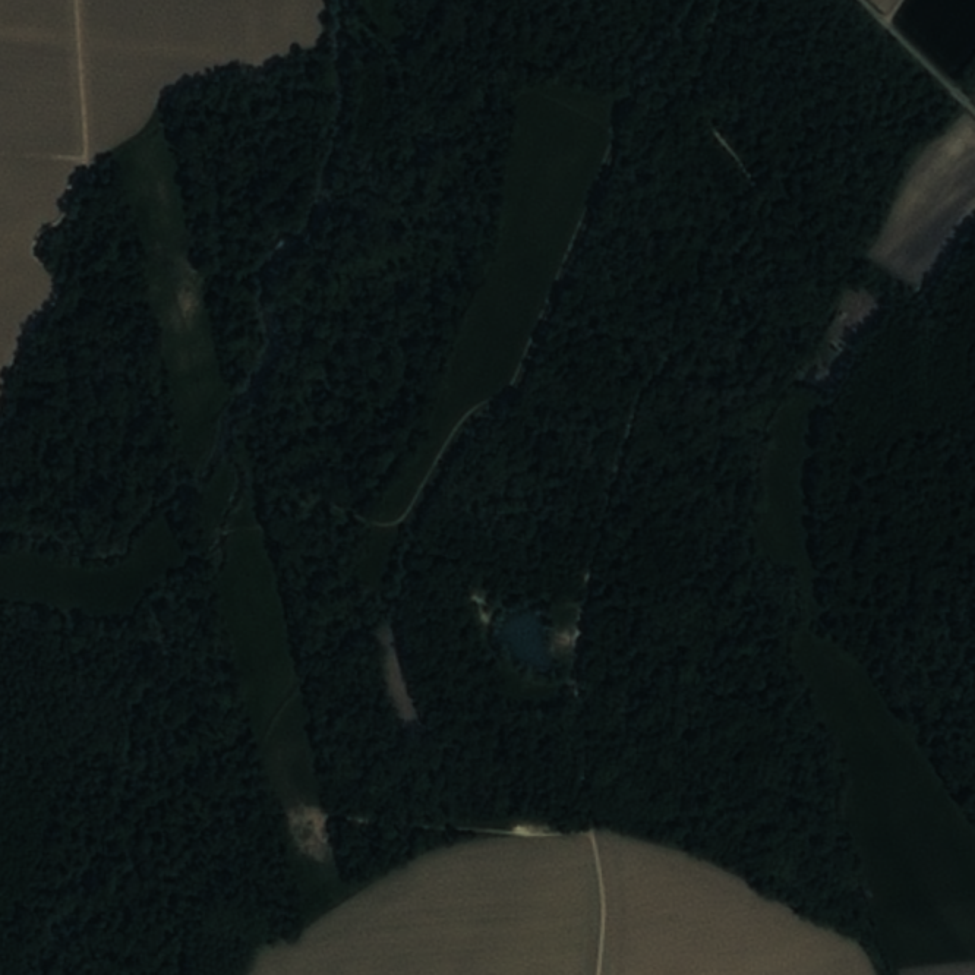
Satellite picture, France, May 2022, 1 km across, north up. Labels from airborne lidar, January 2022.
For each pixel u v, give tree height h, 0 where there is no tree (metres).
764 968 0
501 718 22
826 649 0
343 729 17
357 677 20
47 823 14
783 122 23
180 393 0
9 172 0
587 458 14
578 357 22
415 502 0
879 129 17
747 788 17
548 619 8
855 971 0
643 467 17
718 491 21
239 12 0
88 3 0
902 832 0
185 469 9
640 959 0
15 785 17
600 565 14
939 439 20
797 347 25
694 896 0
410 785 24
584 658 16
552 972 0
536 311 0
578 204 0
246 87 20
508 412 23
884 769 0
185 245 0
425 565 16
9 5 0
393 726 17
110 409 32
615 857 0
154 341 26
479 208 27
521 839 0
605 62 19
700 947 0
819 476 26
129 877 26
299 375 22
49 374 25
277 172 23
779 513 0
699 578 17
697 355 18
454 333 25
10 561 0
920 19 0
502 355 0
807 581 0
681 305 22
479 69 22
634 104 18
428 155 40
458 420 0
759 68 22
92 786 15
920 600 23
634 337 21
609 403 10
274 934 18
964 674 22
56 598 0
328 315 12
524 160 0
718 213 16
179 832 13
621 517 16
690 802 19
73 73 0
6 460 28
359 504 33
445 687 15
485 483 17
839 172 19
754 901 0
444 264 15
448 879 0
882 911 0
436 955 0
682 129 21
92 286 18
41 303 0
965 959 0
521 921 0
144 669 34
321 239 29
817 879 15
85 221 20
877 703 0
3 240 0
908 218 0
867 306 0
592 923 0
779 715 20
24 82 0
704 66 18
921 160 0
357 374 27
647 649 21
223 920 22
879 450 13
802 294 21
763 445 18
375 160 12
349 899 0
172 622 24
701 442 14
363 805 24
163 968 21
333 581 25
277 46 0
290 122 17
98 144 0
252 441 21
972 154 0
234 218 23
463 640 22
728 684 22
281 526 29
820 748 20
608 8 17
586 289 20
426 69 21
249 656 0
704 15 20
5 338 0
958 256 19
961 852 0
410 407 28
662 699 22
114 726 14
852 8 20
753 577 24
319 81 20
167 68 0
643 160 16
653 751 20
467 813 19
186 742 28
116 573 0
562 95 0
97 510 33
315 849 0
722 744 21
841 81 19
